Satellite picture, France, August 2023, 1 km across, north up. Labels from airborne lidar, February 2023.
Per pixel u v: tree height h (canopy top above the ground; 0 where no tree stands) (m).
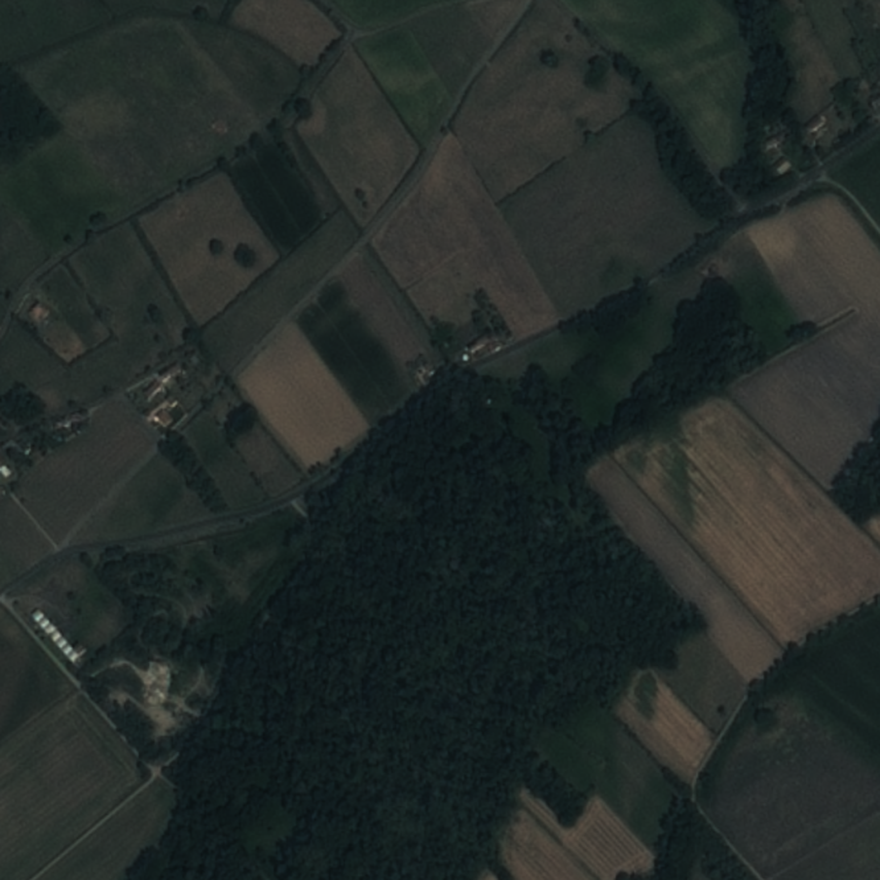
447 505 28
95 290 0
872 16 0
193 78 0
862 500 22
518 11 0
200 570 0
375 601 27
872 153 0
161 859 23
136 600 9
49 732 0
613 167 0
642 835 0
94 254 0
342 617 24
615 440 33
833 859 0
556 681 20
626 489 0
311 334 0
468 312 0
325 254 0
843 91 8
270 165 0
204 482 7
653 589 30
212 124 0
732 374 18
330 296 0
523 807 0
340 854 22
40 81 0
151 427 0
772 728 0
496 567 19
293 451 0
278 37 0
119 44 0
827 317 0
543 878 0
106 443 0
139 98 0
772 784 0
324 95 0
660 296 0
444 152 0
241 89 0
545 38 0
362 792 26
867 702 0
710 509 0
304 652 33
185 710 0
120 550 9
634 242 0
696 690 0
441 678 15
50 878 0
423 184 0
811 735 0
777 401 0
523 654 29
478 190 0
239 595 0
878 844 0
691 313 18
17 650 0
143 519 0
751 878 7
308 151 0
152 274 0
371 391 0
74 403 9
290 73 0
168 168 0
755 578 0
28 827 0
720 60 0
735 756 0
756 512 0
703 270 0
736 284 0
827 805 0
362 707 34
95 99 0
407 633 22
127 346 0
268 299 0
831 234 0
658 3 0
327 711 22
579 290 0
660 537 0
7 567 0
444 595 22
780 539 0
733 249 0
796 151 0
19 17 0
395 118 0
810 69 0
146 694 0
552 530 27
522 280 0
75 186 0
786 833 0
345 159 0
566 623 34
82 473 0
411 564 22
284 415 0
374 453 18
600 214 0
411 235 0
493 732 26
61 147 0
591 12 0
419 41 0
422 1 0
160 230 0
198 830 23
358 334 0
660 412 9
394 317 0
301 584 18
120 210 0
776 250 0
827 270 0
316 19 0
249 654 15
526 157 0
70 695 0
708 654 0
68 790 0
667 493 0
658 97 13
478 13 0
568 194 0
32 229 0
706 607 0
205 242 0
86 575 0
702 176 17
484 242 0
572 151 0
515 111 0
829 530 0
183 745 14
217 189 0
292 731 23
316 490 6
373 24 0
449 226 0
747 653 0
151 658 6
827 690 0
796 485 0
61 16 0
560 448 33
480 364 0
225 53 0
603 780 0
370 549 26
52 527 0
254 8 0
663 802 0
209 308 0
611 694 22
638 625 22
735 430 0
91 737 0
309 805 7
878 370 0
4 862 0
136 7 0
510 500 6
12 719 0
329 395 0
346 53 0
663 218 0
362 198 10
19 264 0
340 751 16
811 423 0
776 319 0
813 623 0
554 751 0
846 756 0
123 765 0
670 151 8
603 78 0
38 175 0
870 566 0
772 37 32
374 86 0
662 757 0
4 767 0
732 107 0
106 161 0
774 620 0
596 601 34
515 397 8
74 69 0
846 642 0
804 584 0
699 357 7
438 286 0
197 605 0
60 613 0
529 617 29
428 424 24
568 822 21
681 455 0
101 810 0
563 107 0
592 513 19
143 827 0
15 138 16
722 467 0
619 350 0
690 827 13
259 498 0
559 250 0
